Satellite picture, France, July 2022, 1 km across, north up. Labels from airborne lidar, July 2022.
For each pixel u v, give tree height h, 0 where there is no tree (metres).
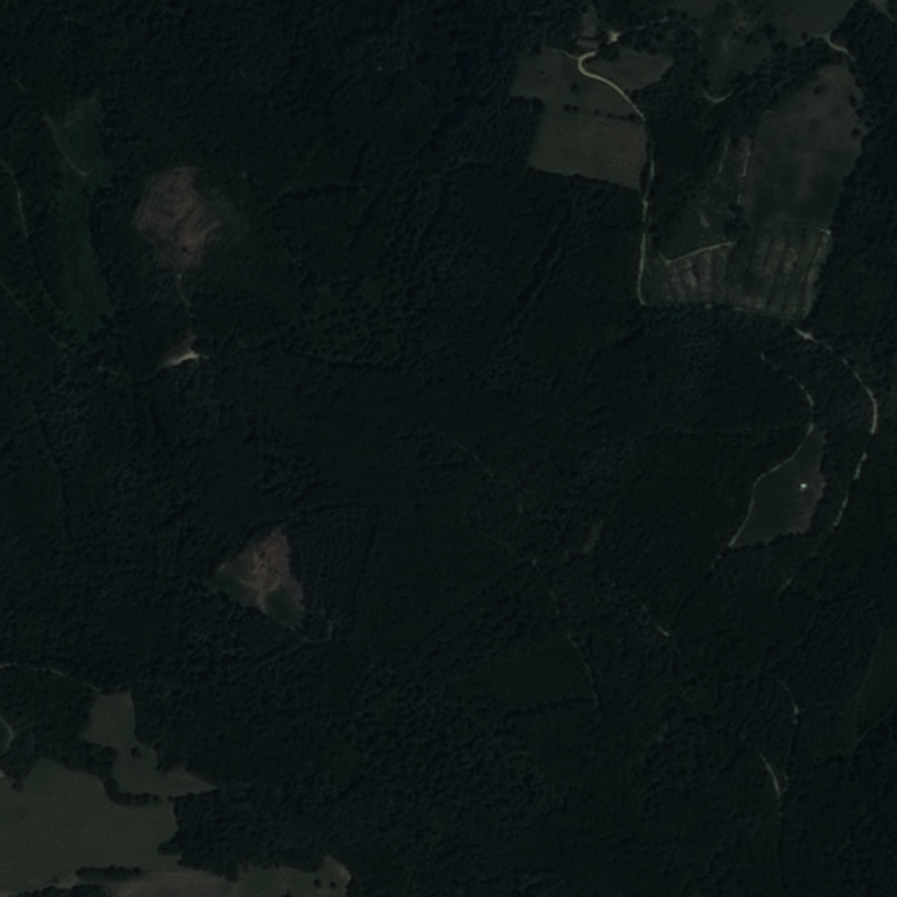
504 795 18
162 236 0
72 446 25
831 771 30
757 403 18
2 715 7
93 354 7
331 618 17
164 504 23
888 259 8
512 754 18
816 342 11
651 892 20
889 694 6
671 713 19
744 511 9
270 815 8
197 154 15
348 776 10
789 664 25
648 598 11
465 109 29
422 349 20
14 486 20
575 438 23
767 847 18
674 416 19
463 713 21
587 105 0
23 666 13
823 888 29
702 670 11
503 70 26
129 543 20
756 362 15
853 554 11
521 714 19
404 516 18
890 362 10
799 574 19
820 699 17
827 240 0
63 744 7
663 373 16
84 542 25
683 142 16
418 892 10
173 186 0
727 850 20
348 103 17
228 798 6
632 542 11
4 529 21
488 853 19
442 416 20
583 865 21
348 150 6
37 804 0
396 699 8
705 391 14
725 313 16
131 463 22
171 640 21
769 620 20
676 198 15
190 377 8
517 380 16
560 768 19
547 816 18
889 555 15
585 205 22
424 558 22
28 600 14
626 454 18
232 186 6
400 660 16
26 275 21
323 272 21
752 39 8
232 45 12
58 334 17
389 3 18
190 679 26
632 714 23
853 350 17
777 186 0
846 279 14
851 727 6
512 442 19
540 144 0
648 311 16
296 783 12
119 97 16
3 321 20
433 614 19
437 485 21
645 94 13
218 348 13
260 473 19
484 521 19
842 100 0
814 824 25
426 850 9
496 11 20
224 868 9
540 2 14
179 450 25
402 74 14
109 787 9
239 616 20
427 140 12
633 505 10
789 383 15
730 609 14
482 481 17
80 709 14
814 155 0
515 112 28
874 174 13
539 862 17
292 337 8
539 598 21
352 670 13
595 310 20
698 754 20
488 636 18
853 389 9
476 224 17
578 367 15
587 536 17
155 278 8
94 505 18
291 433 17
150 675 15
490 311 19
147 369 21
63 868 0
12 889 0
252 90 9
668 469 10
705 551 8
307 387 21
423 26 22
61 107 12
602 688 19
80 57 25
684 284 0
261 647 19
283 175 20
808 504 0
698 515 7
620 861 21
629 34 11
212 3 14
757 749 9
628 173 0
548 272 22
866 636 16
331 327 7
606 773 22
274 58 13
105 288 0
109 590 18
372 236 16
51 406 24
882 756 22
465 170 18
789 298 0
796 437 11
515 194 18
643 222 15
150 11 13
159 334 16
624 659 24
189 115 14
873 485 10
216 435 17
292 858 13
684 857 21
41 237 23
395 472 17
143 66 14
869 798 22
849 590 16
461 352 21
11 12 20
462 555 22
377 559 24
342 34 13
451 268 22
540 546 21
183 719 12
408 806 19
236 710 23
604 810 23
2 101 20
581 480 15
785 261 0
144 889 0
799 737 16
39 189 15
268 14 19
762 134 0
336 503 15
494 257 20
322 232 19
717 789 21
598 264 20
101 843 0
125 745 0
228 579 0
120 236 19
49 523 17
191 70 17
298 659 21
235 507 16
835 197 0
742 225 11
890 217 25
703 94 7
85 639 13
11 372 18
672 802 21
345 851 10
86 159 0
